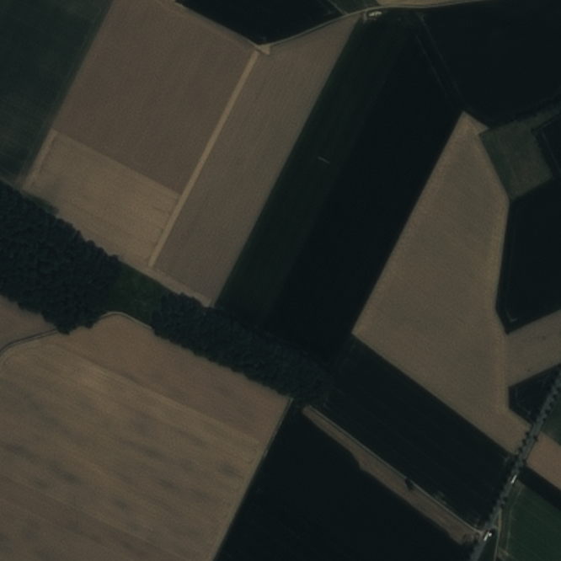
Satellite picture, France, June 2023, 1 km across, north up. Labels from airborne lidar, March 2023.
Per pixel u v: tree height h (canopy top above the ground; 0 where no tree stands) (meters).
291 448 0
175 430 0
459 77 0
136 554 0
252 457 0
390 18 0
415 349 0
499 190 0
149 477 0
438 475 0
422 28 0
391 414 0
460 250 0
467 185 0
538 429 0
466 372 0
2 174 0
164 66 0
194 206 0
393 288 0
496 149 0
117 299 0
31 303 29
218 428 0
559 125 0
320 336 0
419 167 0
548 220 0
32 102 0
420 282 0
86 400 0
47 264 31
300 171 0
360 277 0
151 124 0
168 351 0
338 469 0
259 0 0
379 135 0
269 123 0
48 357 0
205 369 0
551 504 0
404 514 0
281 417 0
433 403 0
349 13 0
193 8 0
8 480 0
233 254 0
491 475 0
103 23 0
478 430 0
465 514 0
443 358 0
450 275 0
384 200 0
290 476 0
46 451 0
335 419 0
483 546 0
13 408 0
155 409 0
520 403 0
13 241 24
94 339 0
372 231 0
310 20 0
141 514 0
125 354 0
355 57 0
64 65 0
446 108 0
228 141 0
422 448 0
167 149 0
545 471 0
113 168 0
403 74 0
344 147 0
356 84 0
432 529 0
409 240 0
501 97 0
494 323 0
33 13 0
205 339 26
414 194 0
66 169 0
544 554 0
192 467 0
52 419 0
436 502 0
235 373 0
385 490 0
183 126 0
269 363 27
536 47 0
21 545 0
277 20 0
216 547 0
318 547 0
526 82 0
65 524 0
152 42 0
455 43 0
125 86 0
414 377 0
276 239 0
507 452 0
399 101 0
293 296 0
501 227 0
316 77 0
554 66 0
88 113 0
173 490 0
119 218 0
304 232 0
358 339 0
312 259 0
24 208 28
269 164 0
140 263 0
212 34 0
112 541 0
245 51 0
